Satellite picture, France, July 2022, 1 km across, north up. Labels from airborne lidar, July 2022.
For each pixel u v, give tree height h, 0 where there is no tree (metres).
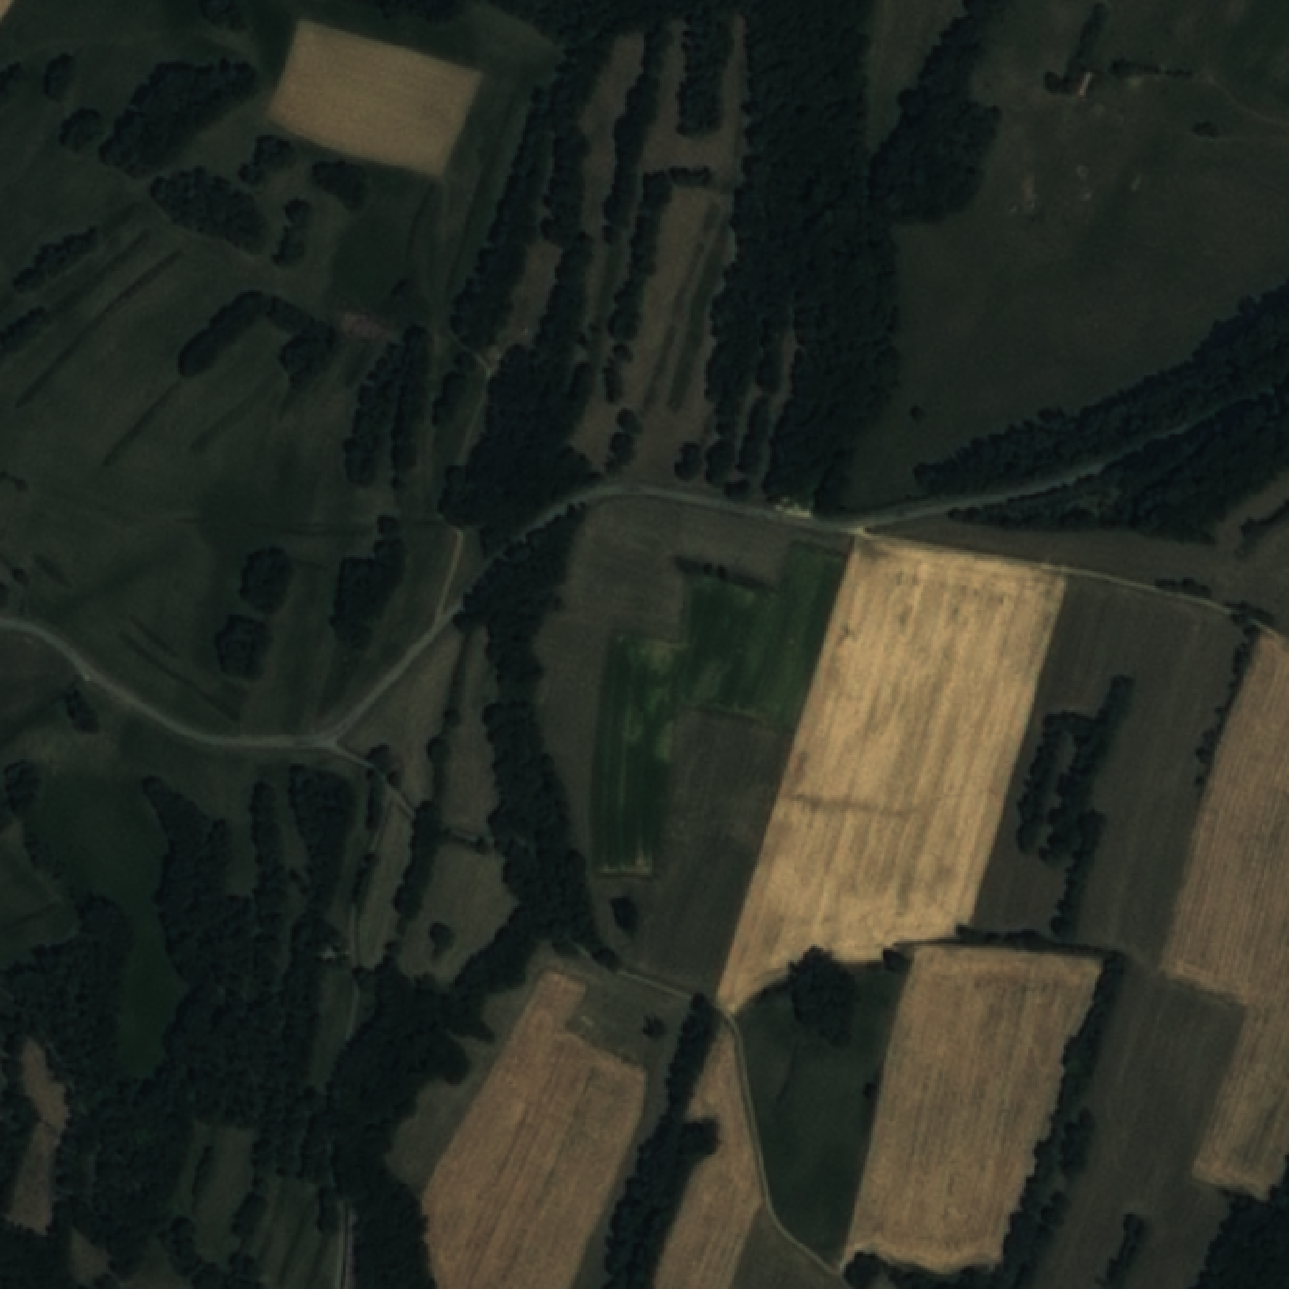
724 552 0
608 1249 0
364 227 0
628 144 21
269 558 15
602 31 16
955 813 0
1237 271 0
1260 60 0
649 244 14
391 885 0
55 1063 12
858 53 23
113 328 0
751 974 0
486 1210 0
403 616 0
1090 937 0
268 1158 15
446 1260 0
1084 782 15
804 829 0
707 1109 0
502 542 16
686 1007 0
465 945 0
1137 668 0
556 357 17
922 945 0
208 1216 0
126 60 0
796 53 26
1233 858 0
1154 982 0
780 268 18
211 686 0
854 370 25
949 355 0
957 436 0
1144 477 23
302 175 0
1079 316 0
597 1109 0
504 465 17
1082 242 0
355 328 0
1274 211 0
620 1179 0
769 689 0
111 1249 15
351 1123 22
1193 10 0
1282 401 10
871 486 0
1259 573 0
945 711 0
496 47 0
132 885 0
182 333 0
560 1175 0
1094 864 10
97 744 0
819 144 23
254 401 0
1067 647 0
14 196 0
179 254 0
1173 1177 0
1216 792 0
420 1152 0
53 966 16
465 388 14
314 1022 15
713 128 16
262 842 15
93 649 0
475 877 0
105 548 0
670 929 0
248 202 14
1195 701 0
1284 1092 0
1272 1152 0
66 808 0
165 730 0
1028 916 0
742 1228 0
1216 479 23
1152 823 0
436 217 0
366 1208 19
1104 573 0
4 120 0
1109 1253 0
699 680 0
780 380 17
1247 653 11
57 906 0
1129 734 0
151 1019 0
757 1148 0
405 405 15
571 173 15
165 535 0
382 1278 6
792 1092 0
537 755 12
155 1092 20
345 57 0
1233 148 0
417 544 0
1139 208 0
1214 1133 0
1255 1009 0
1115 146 0
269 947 16
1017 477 16
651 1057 0
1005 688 0
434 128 0
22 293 10
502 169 0
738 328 17
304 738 0
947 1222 0
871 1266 11
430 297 0
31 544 0
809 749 0
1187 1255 0
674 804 0
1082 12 0
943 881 0
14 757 0
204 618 0
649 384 0
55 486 0
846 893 0
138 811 0
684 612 0
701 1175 0
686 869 0
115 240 0
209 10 15
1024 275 0
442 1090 0
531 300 0
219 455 0
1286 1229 16
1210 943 0
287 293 0
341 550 0
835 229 22
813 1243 0
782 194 21
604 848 0
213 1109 16
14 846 0
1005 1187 0
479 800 0
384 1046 20
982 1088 0
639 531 0
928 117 23
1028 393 0
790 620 0
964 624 0
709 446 0
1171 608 0
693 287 0
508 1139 0
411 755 0
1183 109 0
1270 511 0
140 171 16
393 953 11
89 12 0
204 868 19
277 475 0
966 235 0
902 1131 0
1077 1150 17
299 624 0
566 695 0
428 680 0
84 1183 15
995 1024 0
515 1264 0
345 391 0
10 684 0
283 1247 0
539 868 13
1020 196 0
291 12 0
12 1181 12
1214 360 19
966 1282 10
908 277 0
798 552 0
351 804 16
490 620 11
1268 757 0
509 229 16
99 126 17
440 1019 15
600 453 0
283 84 0
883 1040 0
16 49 0
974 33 15
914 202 21
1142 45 0
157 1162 12
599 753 0
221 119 13
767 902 0
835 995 22
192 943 17
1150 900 0
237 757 0
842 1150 0
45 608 0
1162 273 0
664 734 0
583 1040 0
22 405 0
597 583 0
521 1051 0
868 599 0
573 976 0
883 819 0
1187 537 19
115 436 0
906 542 0
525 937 13
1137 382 0
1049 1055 0
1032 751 0
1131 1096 0
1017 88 0
